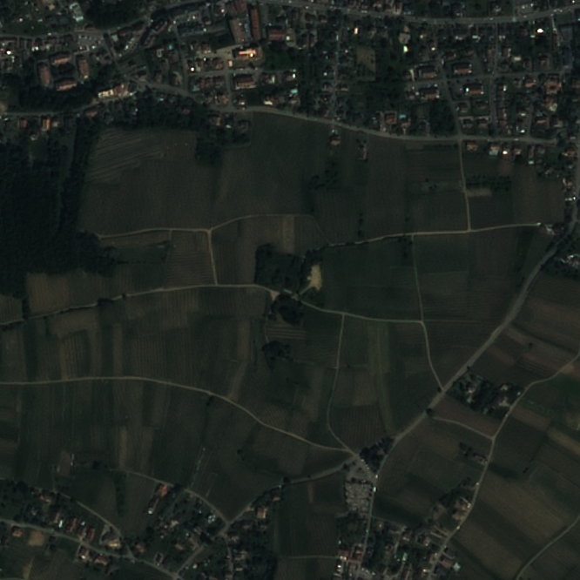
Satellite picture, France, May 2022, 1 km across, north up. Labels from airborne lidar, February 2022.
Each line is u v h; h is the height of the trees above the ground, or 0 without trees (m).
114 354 0
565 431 0
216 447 0
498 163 0
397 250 0
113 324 0
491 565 0
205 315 0
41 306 0
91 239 14
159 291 0
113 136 0
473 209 0
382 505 0
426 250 0
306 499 0
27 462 0
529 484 0
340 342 0
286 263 0
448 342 0
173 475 0
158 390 0
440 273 0
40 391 0
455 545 0
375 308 0
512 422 0
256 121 0
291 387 0
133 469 0
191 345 0
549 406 0
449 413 0
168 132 0
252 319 0
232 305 0
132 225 0
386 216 0
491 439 0
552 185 0
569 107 6
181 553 11
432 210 0
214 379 0
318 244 0
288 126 0
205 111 0
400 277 0
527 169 0
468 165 0
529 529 0
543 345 0
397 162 0
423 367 0
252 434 0
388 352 0
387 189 0
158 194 0
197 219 0
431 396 0
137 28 0
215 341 0
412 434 0
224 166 0
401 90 0
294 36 0
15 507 0
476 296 0
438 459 0
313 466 0
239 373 0
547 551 0
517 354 0
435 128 10
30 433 0
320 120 0
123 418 0
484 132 0
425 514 0
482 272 0
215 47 0
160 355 0
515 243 0
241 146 0
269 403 0
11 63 0
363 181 0
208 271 0
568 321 0
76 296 0
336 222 0
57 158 13
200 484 0
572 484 0
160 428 0
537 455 0
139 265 0
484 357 0
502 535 0
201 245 0
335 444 0
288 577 0
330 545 0
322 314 0
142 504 0
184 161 0
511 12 0
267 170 0
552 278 0
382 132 0
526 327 0
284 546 0
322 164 0
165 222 0
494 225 0
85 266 15
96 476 0
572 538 0
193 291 0
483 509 0
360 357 0
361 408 0
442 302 0
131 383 0
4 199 17
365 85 0
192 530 6
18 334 0
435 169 0
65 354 0
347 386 0
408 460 0
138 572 0
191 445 0
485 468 0
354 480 9
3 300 0
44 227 18
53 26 10
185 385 0
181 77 0
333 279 0
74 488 0
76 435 0
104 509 0
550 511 0
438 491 0
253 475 0
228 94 0
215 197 0
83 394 0
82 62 0
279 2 0
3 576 0
